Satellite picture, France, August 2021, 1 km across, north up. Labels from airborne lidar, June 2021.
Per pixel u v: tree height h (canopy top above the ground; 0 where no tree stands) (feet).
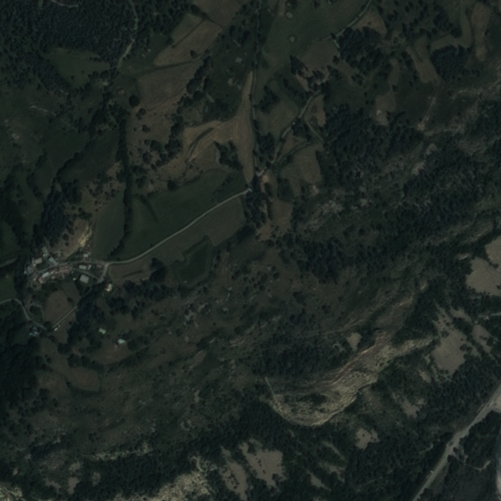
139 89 0
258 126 52
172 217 0
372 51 38
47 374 0
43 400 26
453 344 0
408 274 27
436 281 38
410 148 56
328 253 91
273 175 0
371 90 0
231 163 33
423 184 81
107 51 33
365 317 29
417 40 0
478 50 0
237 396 38
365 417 17
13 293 0
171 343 0
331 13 0
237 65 0
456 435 0
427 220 51
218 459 39
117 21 51
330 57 0
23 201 40
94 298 33
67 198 40
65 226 72
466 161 21
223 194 0
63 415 0
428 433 48
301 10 0
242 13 29
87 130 24
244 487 0
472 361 22
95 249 0
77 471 29
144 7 43
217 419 29
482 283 0
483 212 24
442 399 29
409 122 47
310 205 0
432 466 54
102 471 20
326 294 0
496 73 0
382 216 18
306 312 25
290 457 22
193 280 0
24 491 36
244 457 20
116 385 0
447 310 25
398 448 71
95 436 35
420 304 33
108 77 37
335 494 29
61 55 0
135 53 35
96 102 0
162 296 49
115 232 0
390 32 28
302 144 0
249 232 19
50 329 39
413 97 0
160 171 0
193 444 42
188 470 35
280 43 0
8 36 66
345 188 26
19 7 34
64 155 0
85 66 0
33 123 0
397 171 26
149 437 26
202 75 68
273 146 66
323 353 22
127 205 46
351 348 28
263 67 0
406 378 46
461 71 70
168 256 0
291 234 39
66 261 23
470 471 18
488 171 24
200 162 0
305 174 0
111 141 0
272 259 0
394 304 53
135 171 57
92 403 0
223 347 23
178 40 0
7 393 81
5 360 70
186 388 30
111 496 24
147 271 0
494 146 22
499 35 0
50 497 25
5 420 52
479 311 21
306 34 0
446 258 72
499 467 0
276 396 0
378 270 20
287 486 29
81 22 44
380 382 22
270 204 37
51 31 48
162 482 38
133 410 0
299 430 59
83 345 0
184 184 0
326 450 58
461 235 29
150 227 0
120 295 0
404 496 47
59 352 21
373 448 68
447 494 24
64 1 25
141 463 53
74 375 0
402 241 28
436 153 65
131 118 0
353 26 0
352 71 0
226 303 0
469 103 0
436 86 0
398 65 0
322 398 24
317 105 0
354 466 33
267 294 0
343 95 0
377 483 36
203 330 0
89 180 0
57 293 0
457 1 0
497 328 30
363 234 70
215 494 27
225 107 24
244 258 0
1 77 0
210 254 0
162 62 0
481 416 0
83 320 75
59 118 29
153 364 0
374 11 0
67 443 26
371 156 28
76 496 42
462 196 21
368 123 68
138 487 57
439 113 0
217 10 0
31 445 28
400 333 20
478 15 0
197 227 0
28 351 43
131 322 0
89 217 25
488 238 27
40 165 30
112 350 0
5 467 38
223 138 0
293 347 30
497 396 0
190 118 0
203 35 0
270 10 0
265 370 24
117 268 0
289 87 50
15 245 0
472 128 18
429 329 33
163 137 0
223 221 0
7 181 30
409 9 55
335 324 0
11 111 0
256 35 20
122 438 0
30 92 0
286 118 0
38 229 58
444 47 0
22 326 35
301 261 38
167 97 0
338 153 55
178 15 68
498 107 50
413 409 0
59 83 95
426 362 18
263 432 40
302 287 0
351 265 48
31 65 37
